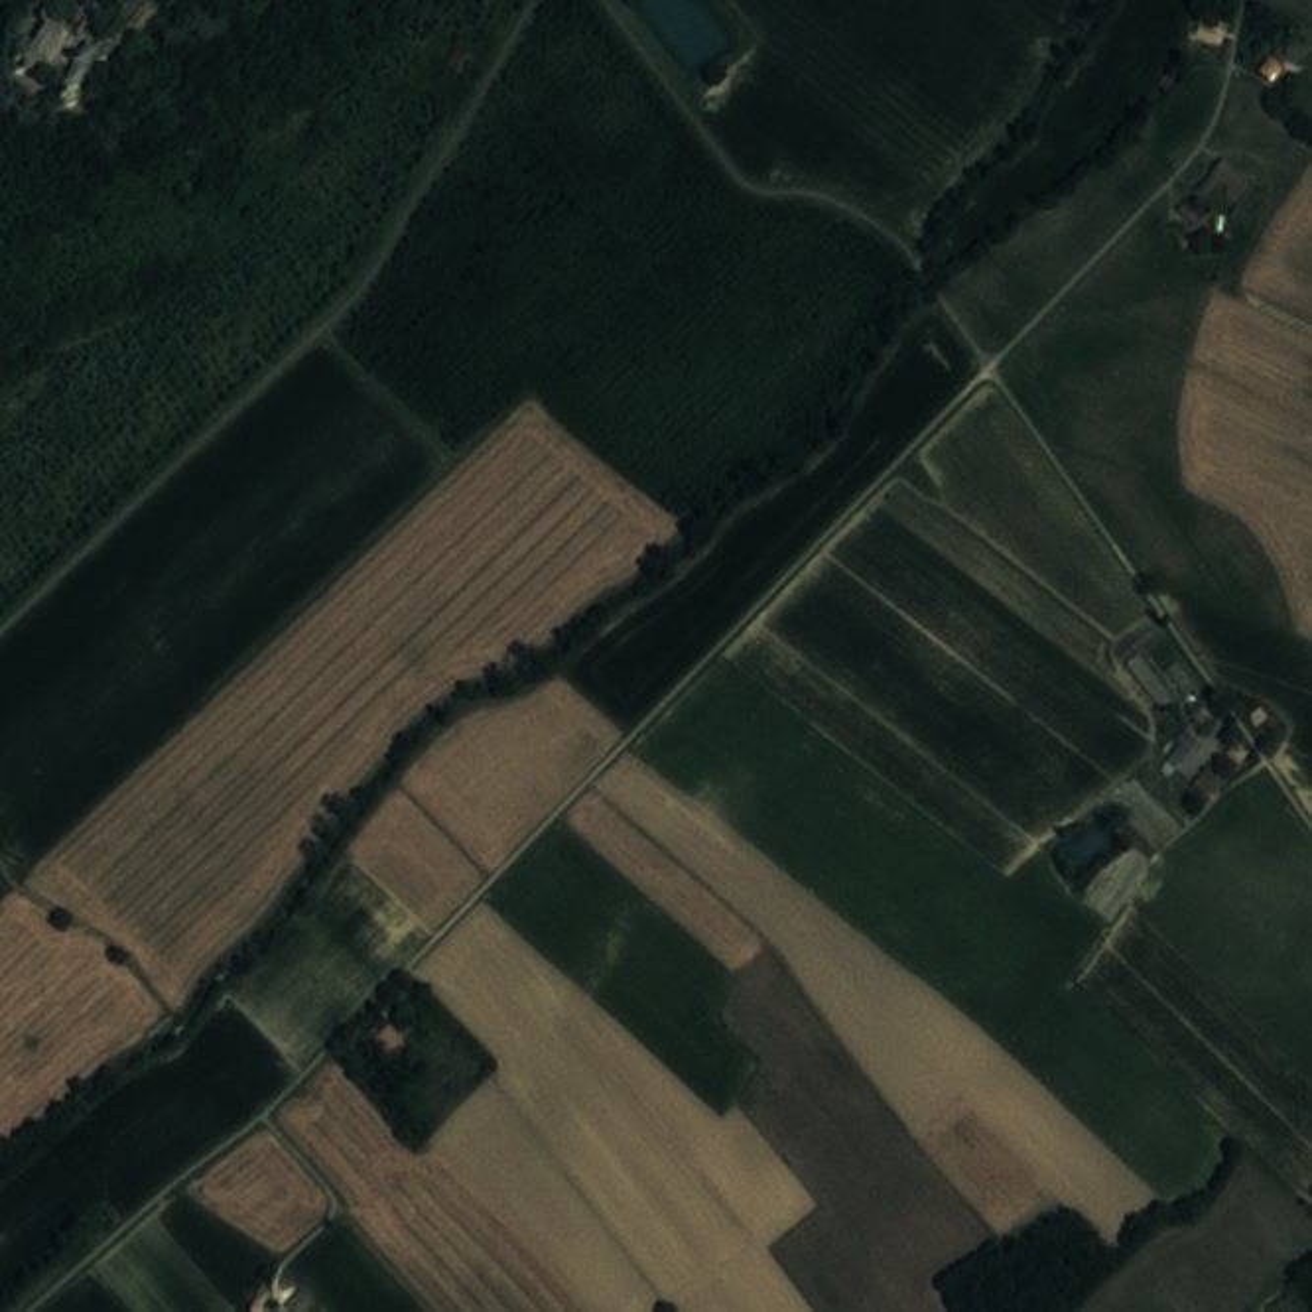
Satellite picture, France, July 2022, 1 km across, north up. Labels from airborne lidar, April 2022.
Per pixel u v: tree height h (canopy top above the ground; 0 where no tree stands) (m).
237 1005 0
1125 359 0
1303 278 0
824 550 0
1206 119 0
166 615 0
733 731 0
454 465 0
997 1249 14
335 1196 0
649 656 0
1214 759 8
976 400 0
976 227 0
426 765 0
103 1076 10
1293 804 0
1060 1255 21
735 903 0
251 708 0
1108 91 0
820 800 0
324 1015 0
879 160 0
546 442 0
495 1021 0
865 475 0
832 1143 0
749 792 0
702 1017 0
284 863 0
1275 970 0
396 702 0
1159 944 0
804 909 0
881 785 0
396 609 0
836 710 0
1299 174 0
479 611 0
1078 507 0
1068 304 0
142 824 0
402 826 0
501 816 0
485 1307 0
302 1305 0
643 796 0
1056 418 0
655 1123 0
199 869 0
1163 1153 0
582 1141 0
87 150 17
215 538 0
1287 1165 0
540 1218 0
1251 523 0
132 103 14
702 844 0
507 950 0
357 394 0
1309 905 0
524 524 0
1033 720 0
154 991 0
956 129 0
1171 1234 0
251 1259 0
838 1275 0
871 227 0
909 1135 0
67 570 0
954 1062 0
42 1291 0
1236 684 0
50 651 0
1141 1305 0
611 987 0
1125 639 0
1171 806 0
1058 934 0
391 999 13
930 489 0
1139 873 0
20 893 0
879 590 0
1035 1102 0
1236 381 0
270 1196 0
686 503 6
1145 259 0
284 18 21
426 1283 0
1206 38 0
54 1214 0
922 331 0
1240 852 0
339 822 22
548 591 0
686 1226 0
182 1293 0
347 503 0
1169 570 0
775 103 0
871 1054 0
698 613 0
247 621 0
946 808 0
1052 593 0
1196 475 0
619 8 0
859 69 0
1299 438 0
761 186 0
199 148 10
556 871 0
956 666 0
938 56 0
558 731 0
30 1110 0
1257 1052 0
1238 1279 0
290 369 0
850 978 0
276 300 9
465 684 10
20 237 14
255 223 9
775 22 0
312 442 0
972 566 0
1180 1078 0
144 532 0
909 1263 0
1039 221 0
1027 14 0
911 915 0
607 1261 0
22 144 11
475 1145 0
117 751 0
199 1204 0
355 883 0
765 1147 0
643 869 0
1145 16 0
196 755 0
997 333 0
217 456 0
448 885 0
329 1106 0
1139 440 0
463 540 0
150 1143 0
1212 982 0
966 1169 0
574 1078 0
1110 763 0
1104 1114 0
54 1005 0
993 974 0
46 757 0
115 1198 0
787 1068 0
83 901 0
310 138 8
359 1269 0
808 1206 0
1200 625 0
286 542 0
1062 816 0
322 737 0
